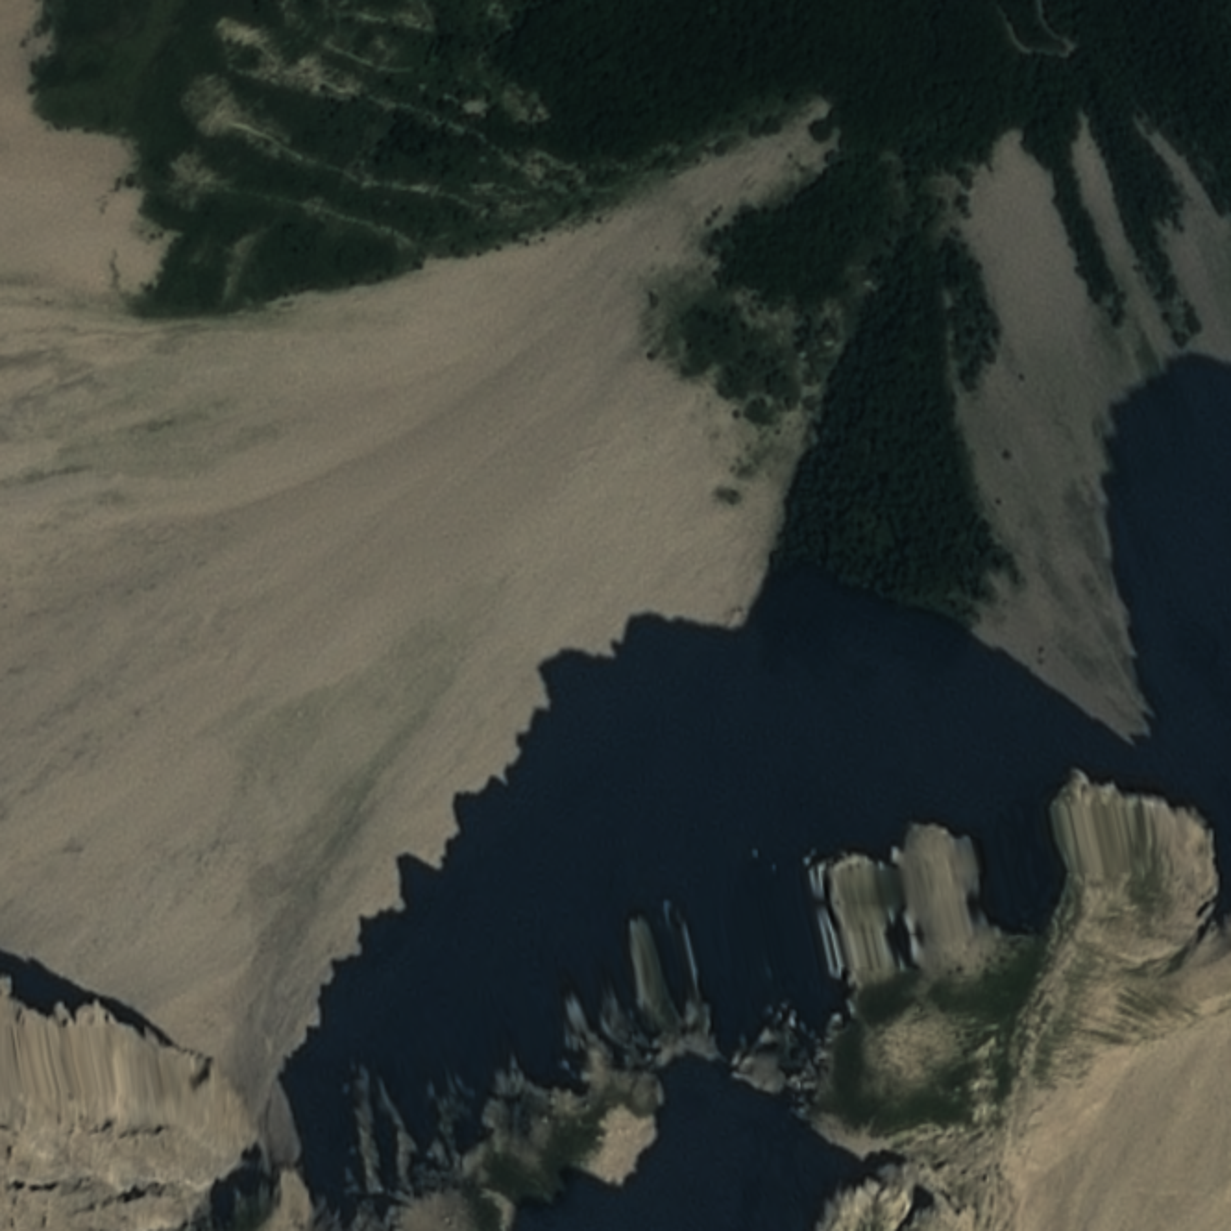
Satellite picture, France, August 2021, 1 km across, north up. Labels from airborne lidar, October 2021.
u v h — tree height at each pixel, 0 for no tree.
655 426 0
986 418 0
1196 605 0
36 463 0
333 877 0
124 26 0
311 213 0
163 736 0
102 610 0
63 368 0
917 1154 0
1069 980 0
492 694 0
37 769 0
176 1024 0
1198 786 0
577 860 0
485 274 0
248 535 0
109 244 0
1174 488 0
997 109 6
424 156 8
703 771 0
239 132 0
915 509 7
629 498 0
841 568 8
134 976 0
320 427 0
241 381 0
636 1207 0
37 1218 0
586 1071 0
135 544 0
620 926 0
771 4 15
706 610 0
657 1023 0
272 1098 0
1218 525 0
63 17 0
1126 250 0
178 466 0
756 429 0
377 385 0
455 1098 0
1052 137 8
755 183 0
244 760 0
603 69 15
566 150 12
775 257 6
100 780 0
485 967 0
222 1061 0
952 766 0
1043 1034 0
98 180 0
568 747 0
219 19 0
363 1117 0
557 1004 0
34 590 0
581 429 0
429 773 0
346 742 0
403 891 0
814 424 0
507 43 11
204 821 0
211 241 0
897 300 11
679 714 0
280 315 0
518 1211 0
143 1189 0
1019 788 0
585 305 0
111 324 0
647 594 0
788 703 0
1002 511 0
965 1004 0
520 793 0
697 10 15
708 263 0
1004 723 0
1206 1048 0
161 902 0
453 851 0
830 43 13
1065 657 0
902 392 11
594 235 0
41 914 0
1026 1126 0
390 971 0
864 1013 0
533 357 0
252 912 0
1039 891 0
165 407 0
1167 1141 0
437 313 0
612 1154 0
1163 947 0
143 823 0
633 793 0
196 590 0
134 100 0
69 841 0
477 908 0
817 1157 0
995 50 14
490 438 0
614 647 0
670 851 0
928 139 6
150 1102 0
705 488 0
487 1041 0
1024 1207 0
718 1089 0
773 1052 0
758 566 0
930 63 12
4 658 0
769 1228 0
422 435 0
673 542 0
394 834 0
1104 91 12
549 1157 0
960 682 0
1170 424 0
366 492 0
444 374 0
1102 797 0
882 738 0
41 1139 0
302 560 0
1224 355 0
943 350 6
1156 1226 0
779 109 0
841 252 7
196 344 0
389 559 0
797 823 0
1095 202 0
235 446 0
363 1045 0
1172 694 0
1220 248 0
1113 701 0
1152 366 0
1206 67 17
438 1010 0
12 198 0
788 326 0
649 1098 0
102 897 0
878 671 0
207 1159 0
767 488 0
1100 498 0
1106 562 0
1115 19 15
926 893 0
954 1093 0
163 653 0
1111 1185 0
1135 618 0
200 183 0
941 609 0
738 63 15
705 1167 0
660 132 10
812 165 0
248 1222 0
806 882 0
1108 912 0
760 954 0
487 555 0
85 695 0
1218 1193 0
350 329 0
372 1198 0
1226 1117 0
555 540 0
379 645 0
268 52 0
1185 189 0
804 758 0
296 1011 0
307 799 0
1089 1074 0
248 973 0
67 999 0
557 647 0
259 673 0
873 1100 0
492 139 9
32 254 0
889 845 0
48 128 0
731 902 0
